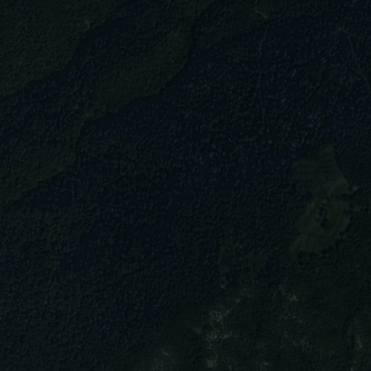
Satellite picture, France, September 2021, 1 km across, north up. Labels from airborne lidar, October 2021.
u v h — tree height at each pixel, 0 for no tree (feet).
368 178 78
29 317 73
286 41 77
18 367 87
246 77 63
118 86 50
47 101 24
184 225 96
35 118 99
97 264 105
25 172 65
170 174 28
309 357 64
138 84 68
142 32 63
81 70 48
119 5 66
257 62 28
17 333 79
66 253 49
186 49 56
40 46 78
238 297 39
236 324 81
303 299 47
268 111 78
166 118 81
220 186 35
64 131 69
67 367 87
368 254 74
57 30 72
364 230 94
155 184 27
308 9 52
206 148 42
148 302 27
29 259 97
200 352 95
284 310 53
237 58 92
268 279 94
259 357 60
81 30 70
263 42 49
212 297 71
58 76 72
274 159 32
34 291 78
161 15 79
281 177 86
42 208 75
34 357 86
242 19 58
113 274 68
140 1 58
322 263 72
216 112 84
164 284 102
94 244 90
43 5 68
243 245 100
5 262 69
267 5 47
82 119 79
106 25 77
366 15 86
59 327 98
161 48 61
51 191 26
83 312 59
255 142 21
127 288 105
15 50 55
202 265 115
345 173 85
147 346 71
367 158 79
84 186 138
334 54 30
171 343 54
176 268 81
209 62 65
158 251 47
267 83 60
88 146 73
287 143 55
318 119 119
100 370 91
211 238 89
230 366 31
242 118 36
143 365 20
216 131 73
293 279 57
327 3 52
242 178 93
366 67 73
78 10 27
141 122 99
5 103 96
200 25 90
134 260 32
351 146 79
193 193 93
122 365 80
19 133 61
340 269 46
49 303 53
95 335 80
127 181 95
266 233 87
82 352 63
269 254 70
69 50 64
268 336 101
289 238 86
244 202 72
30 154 83
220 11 80
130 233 57
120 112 27
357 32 76
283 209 72
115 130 96
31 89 88
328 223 77
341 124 118
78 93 44
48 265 65
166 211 20
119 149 79
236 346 81
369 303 66
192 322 96
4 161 89
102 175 96
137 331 81
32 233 97
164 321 103
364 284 80
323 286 87
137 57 84
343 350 62
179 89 85
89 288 105
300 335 37
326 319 59
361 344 52
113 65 81
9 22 81
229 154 81
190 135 74
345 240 75
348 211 0
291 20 66
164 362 34
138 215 63
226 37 58
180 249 78
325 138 106
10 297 63
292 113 53
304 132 73
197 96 84
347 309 53
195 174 120
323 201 0
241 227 77
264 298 82
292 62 84
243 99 35
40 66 60
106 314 90
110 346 71
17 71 22
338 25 72
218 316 29
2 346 85
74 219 81
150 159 81
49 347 75
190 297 88
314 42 67
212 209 104
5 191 93
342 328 54
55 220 65
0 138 62
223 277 25
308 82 60
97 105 74
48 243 64
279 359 109
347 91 70
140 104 99
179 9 72
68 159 70
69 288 94
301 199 38
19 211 76
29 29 76
